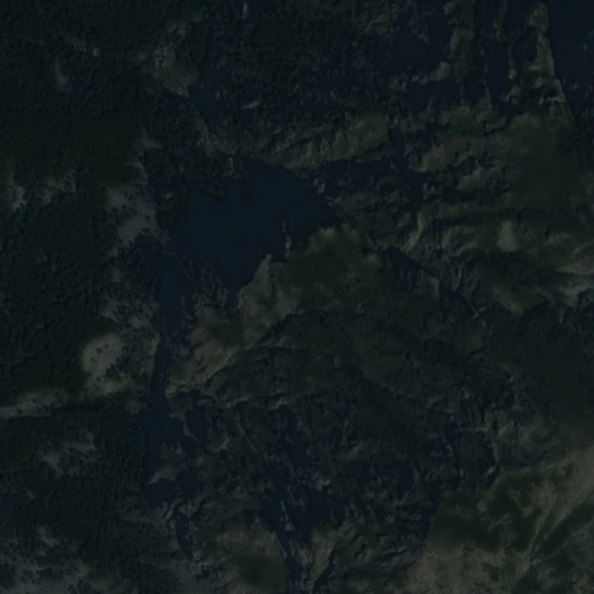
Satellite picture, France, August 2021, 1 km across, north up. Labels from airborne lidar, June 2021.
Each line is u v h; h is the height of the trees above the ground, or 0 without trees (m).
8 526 10
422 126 0
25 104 19
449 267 0
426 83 0
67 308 16
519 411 0
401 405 0
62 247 18
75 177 8
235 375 0
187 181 11
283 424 0
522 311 0
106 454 8
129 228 0
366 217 0
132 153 8
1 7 23
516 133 0
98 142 17
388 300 0
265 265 0
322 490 0
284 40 16
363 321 0
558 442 0
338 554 0
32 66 17
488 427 0
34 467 9
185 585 0
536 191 0
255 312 0
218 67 7
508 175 0
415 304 0
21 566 0
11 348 8
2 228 12
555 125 0
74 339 18
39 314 16
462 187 0
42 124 18
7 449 11
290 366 0
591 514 0
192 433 0
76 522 15
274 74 10
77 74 10
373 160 0
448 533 0
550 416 0
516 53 7
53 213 15
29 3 16
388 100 11
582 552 0
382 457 0
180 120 9
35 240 17
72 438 12
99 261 14
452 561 0
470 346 0
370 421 0
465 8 9
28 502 11
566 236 0
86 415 14
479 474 0
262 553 0
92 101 13
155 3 17
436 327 0
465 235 0
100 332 14
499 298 0
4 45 20
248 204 11
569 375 0
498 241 0
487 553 0
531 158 0
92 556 11
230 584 0
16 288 12
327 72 12
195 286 0
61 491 15
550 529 0
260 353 0
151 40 9
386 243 0
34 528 9
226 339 0
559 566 0
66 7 21
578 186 0
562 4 7
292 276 0
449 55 0
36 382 19
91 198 12
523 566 0
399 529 0
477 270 0
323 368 0
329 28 10
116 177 15
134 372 6
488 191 0
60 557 9
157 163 15
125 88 21
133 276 11
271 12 18
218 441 0
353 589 0
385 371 0
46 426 18
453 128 0
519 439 0
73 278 15
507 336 0
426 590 0
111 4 20
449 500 0
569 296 0
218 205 12
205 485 0
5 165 11
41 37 12
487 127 0
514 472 0
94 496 12
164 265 10
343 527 0
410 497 0
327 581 0
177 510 0
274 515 0
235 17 16
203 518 0
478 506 0
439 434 0
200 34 16
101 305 13
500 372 0
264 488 0
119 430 10
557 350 0
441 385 0
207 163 13
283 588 0
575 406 0
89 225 15
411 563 0
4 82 18
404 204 0
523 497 0
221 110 11
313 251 0
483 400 0
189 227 14
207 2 11
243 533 0
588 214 0
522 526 0
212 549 0
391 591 0
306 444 0
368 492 0
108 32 15
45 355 13
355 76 8
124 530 6
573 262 0
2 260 15
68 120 20
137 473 10
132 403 0
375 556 0
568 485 0
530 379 0
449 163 0
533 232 0
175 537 0
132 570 7
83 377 14
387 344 0
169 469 0
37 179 7
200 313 0
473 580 0
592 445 0
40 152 15
